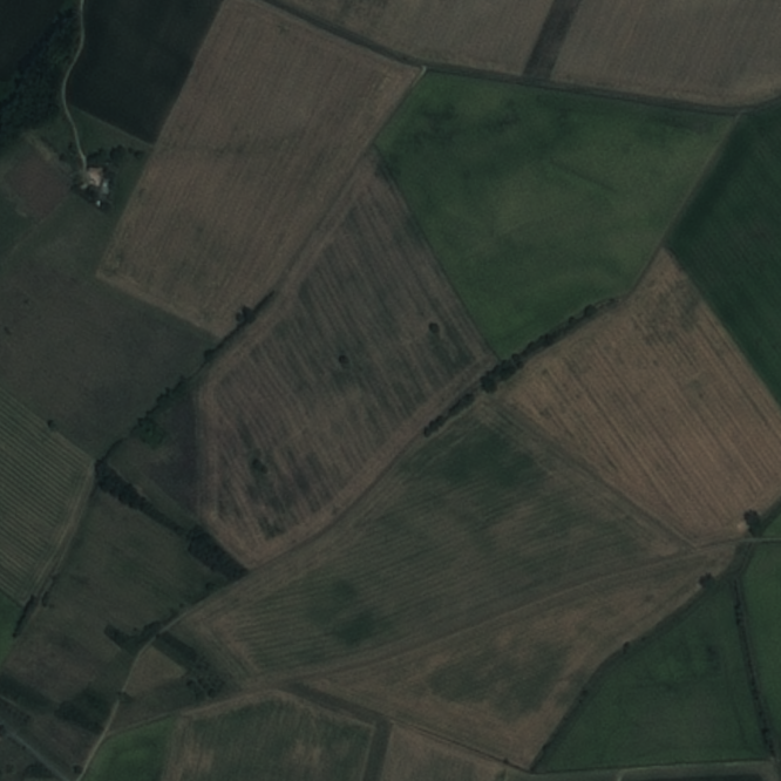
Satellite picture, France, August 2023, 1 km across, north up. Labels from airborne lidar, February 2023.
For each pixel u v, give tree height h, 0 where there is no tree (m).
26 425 0
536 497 0
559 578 0
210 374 0
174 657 0
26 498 0
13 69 0
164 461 0
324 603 0
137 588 0
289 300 0
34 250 0
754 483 0
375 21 0
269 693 0
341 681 0
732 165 0
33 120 17
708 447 0
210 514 0
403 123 0
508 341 0
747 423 0
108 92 0
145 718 0
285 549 0
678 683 0
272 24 0
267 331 0
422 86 0
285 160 0
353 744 0
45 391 0
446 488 0
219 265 0
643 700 0
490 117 0
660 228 0
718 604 0
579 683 0
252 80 0
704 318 0
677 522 0
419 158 0
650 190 0
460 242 0
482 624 0
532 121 0
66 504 0
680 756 0
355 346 0
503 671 0
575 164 0
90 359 0
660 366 0
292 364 0
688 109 0
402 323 0
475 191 0
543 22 0
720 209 0
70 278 0
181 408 0
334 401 0
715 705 0
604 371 0
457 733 0
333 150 0
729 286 0
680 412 0
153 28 0
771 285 0
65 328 0
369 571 0
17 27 0
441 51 0
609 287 0
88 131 0
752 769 0
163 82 0
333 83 0
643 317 0
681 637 0
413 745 0
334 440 0
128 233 0
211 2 0
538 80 0
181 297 0
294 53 0
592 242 0
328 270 0
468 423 0
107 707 0
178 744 0
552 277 0
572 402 0
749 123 0
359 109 0
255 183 0
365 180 0
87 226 0
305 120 0
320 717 0
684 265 0
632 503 0
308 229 0
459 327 0
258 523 0
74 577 0
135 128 0
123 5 0
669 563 0
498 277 0
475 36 0
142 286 0
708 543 0
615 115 0
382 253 0
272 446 0
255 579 0
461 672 0
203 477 0
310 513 0
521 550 0
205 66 0
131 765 0
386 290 0
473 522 0
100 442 0
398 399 0
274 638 0
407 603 0
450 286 0
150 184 0
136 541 0
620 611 0
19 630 7
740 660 0
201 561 12
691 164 0
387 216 0
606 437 0
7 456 0
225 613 0
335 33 0
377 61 0
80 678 0
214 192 0
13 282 0
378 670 0
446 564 0
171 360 0
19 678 0
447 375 0
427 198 0
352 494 0
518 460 0
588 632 0
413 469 0
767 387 0
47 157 0
